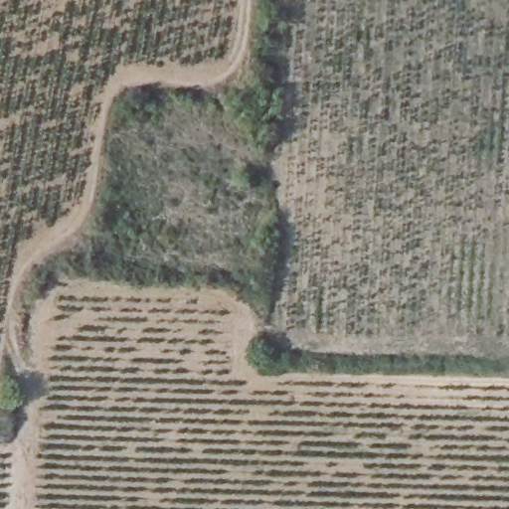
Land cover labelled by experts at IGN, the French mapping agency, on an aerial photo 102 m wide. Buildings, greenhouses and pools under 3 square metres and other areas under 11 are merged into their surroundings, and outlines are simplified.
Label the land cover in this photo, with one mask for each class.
<instances>
[{"label":"vineyard","instance_id":"1","mask_svg":"<svg viewBox=\"0 0 509 509\"><path fill-rule=\"evenodd\" d=\"M237 0H0V334L8 304L10 278L18 256V243L32 239L34 233L44 229L46 225L54 227L58 219L68 217L70 211L82 201L87 181L85 169L91 163V143L95 141V135L87 133L85 127L97 119L101 111V103L91 99L93 93L103 91L107 80L115 74L117 66L147 64L161 68L165 66L163 58L179 62L181 66H197L207 60H223L229 50V34L233 30ZM306 8L304 20L300 24H292V44L288 50H282L280 56L288 58V82L296 84V95L300 99H306V107H294L296 131L290 135V143H282L274 151L276 157L272 161V171L278 181V203L284 211H288V223L294 229L292 243L298 249V253L286 260L284 286L274 306V314L268 312V302H253L249 306L243 300H239L235 292L225 288H141L129 286L125 282L72 278L68 274L58 276V284L48 292V296L58 306V314L54 316L58 322L82 310H111L113 316L95 318L91 324L80 326L74 336H58L52 356L40 372H16L12 358L4 356V368L0 376V509H509V378L463 374L388 376L296 372L280 376H260L247 360V350L258 332H282L290 340L292 348L302 350L334 354H467L489 360L509 356V0H302Z\"/></svg>","mask_w":509,"mask_h":509},{"label":"brushwood","instance_id":"2","mask_svg":"<svg viewBox=\"0 0 509 509\"><path fill-rule=\"evenodd\" d=\"M306 8L302 0H254L249 36L251 52L243 58L241 68L233 72L223 84L213 85L209 89L163 87L159 84L137 85L125 87L113 97L105 121L101 147V153L107 159L99 167V183L91 215L85 219L78 233H74L60 245L58 253L50 254L42 264L32 266V272L22 280L18 290L22 306V332L30 330V318L36 308V300L48 296V292L58 284V276L68 274L72 278L125 282L129 286L141 288H225L235 292L239 300H243L249 306L253 302H268V312L274 314V306L284 286L286 260L298 253V249L292 243L294 229L288 223V211H284L278 203V181L272 171V161L276 157L274 151L282 143H290V135L296 131L294 107H306V99H300L296 95V84L288 82V58L280 56L282 50H288L292 44V24H300L304 20ZM296 372L388 376L463 374L509 378V356L489 360L467 354H334L302 350V358L294 368Z\"/></svg>","mask_w":509,"mask_h":509},{"label":"plowed land","instance_id":"3","mask_svg":"<svg viewBox=\"0 0 509 509\"><path fill-rule=\"evenodd\" d=\"M254 0H237L233 30L229 34V50L223 60H207L197 66H181L179 62L163 58L165 66L161 68L147 64L117 66L115 74L107 80L103 91L93 93L91 99L101 103V111L97 119L85 127L87 133L95 135V141L91 143V163L85 169L87 181L82 201L70 211L68 217L58 219L54 227L46 225L44 229L34 233L32 239L18 243V256L10 278L8 304L0 334V376L4 368V356L12 358L16 372H40L52 356L58 336H74L80 326L91 324L95 318L113 316L111 310H82L58 322L54 316L58 314V306L48 296L36 300V308L30 318V330L22 332V306L18 290L22 280L32 272V266L42 264L50 254L58 253L60 245L74 233H78L85 219L91 215L99 183V167L107 159L101 153V147L105 121L113 97L125 87L137 85L159 84L163 87L209 89L213 85L223 84L233 72L241 68L243 58L251 52L249 36Z\"/></svg>","mask_w":509,"mask_h":509},{"label":"deciduous trees","instance_id":"4","mask_svg":"<svg viewBox=\"0 0 509 509\"><path fill-rule=\"evenodd\" d=\"M302 358V350L292 348L290 340L282 332H258L247 350V360L260 376H280L296 372L294 368Z\"/></svg>","mask_w":509,"mask_h":509}]
</instances>
